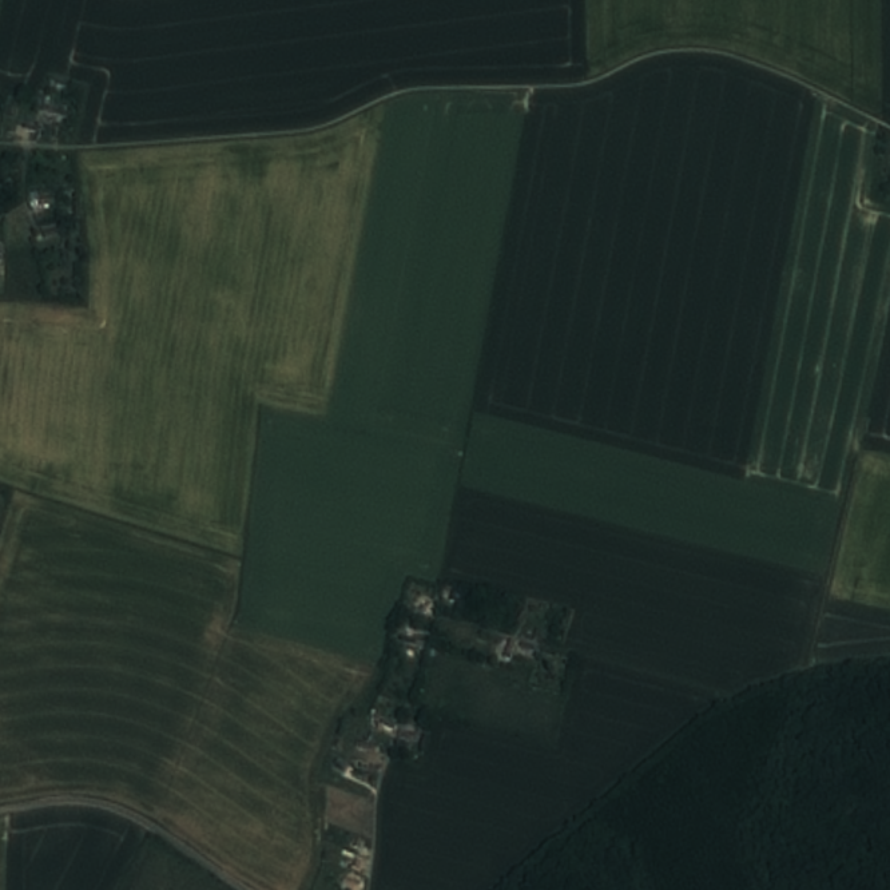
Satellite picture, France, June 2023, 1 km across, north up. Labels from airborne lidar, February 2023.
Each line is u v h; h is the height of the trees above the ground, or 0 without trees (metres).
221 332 0
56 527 0
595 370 0
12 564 0
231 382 0
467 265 0
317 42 0
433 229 0
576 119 0
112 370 0
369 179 0
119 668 0
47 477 0
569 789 0
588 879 20
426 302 0
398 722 11
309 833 0
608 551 0
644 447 0
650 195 0
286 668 0
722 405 0
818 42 0
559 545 0
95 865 0
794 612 0
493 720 0
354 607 0
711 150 0
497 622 11
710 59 0
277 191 0
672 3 0
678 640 0
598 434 0
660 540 0
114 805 0
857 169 0
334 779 0
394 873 0
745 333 0
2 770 0
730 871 9
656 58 0
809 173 0
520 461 0
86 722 0
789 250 0
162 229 0
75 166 0
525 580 0
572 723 0
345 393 0
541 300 0
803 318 0
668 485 0
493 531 0
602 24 0
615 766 0
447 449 0
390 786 0
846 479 0
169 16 0
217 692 0
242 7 0
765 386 0
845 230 0
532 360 0
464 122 0
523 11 0
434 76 0
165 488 0
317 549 0
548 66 0
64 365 0
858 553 0
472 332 0
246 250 0
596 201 0
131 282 0
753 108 0
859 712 23
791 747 20
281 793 0
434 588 8
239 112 0
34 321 0
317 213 0
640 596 0
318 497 0
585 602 0
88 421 0
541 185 0
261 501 0
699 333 0
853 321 0
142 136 0
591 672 0
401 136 0
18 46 0
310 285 0
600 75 0
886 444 0
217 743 0
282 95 0
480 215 0
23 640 0
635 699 0
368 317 0
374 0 0
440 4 0
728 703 13
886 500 0
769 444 0
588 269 0
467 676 0
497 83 0
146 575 0
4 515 0
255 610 0
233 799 0
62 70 0
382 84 0
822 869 24
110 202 0
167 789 0
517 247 0
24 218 0
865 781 26
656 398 0
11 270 0
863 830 24
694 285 0
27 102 18
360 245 0
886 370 0
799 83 0
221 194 0
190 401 0
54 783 0
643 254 0
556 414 0
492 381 0
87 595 0
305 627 0
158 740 0
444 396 0
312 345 0
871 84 0
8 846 0
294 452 0
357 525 0
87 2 0
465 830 0
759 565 0
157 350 0
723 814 13
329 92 0
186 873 0
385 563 0
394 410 0
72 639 0
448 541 0
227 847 0
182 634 0
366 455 0
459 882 0
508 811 0
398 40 0
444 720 0
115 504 0
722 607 0
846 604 0
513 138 0
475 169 0
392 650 10
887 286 0
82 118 0
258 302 0
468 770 0
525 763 0
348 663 0
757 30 0
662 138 0
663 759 10
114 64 0
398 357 0
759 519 0
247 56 0
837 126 0
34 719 0
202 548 0
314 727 0
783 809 15
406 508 0
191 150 0
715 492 0
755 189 0
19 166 15
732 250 0
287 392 0
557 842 15
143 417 0
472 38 0
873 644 0
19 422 0
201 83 0
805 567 0
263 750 0
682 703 0
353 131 0
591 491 0
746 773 9
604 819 10
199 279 0
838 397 0
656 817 10
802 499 0
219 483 0
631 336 0
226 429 0
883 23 0
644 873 14
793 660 0
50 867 0
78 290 12
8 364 0
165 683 0
